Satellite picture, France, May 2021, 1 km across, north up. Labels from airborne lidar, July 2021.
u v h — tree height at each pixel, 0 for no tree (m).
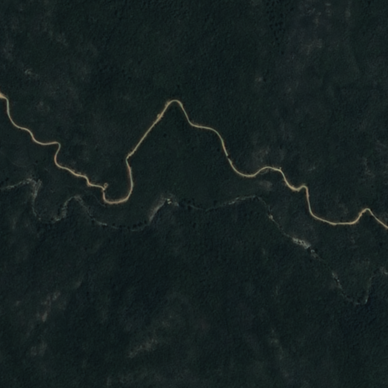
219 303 14
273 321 11
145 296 8
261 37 6
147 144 6
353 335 7
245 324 8
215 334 10
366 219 12
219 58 6
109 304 6
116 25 12
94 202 7
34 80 6
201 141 11
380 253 12
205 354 8
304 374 5
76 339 6
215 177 8
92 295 7
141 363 8
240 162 7
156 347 6
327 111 5
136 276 8
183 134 10
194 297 10
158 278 8
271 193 6
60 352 7
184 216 8
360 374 10
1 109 5
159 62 8
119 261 9
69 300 6
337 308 11
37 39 7
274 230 6
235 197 6
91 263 7
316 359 6
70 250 8
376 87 5
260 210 8
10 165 6
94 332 9
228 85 6
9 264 6
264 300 6
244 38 6
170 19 9
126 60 6
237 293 9
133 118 9
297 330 8
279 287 6
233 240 6
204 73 11
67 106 5
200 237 11
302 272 13
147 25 7
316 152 6
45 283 6
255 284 7
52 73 9
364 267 7
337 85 10
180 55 7
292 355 6
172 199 8
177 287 7
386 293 7
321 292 7
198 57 8
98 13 5
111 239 10
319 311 10
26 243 7
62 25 11
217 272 12
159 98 6
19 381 10
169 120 7
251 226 8
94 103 6
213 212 9
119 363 9
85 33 10
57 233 9
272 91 9
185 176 7
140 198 6
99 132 6
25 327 10
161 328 7
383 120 8
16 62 7
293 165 6
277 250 11
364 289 9
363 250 7
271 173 8
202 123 6
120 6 9
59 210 14
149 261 8
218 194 8
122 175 6
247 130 7
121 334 10
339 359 11
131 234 8
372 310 9
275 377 8
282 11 6
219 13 7
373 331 11
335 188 8
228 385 7
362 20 6
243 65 8
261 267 7
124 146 7
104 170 7
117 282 10
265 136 10
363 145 8
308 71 6
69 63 7
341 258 8
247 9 8
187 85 7
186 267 11
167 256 6
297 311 12
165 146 6
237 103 7
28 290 8
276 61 7
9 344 8
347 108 10
